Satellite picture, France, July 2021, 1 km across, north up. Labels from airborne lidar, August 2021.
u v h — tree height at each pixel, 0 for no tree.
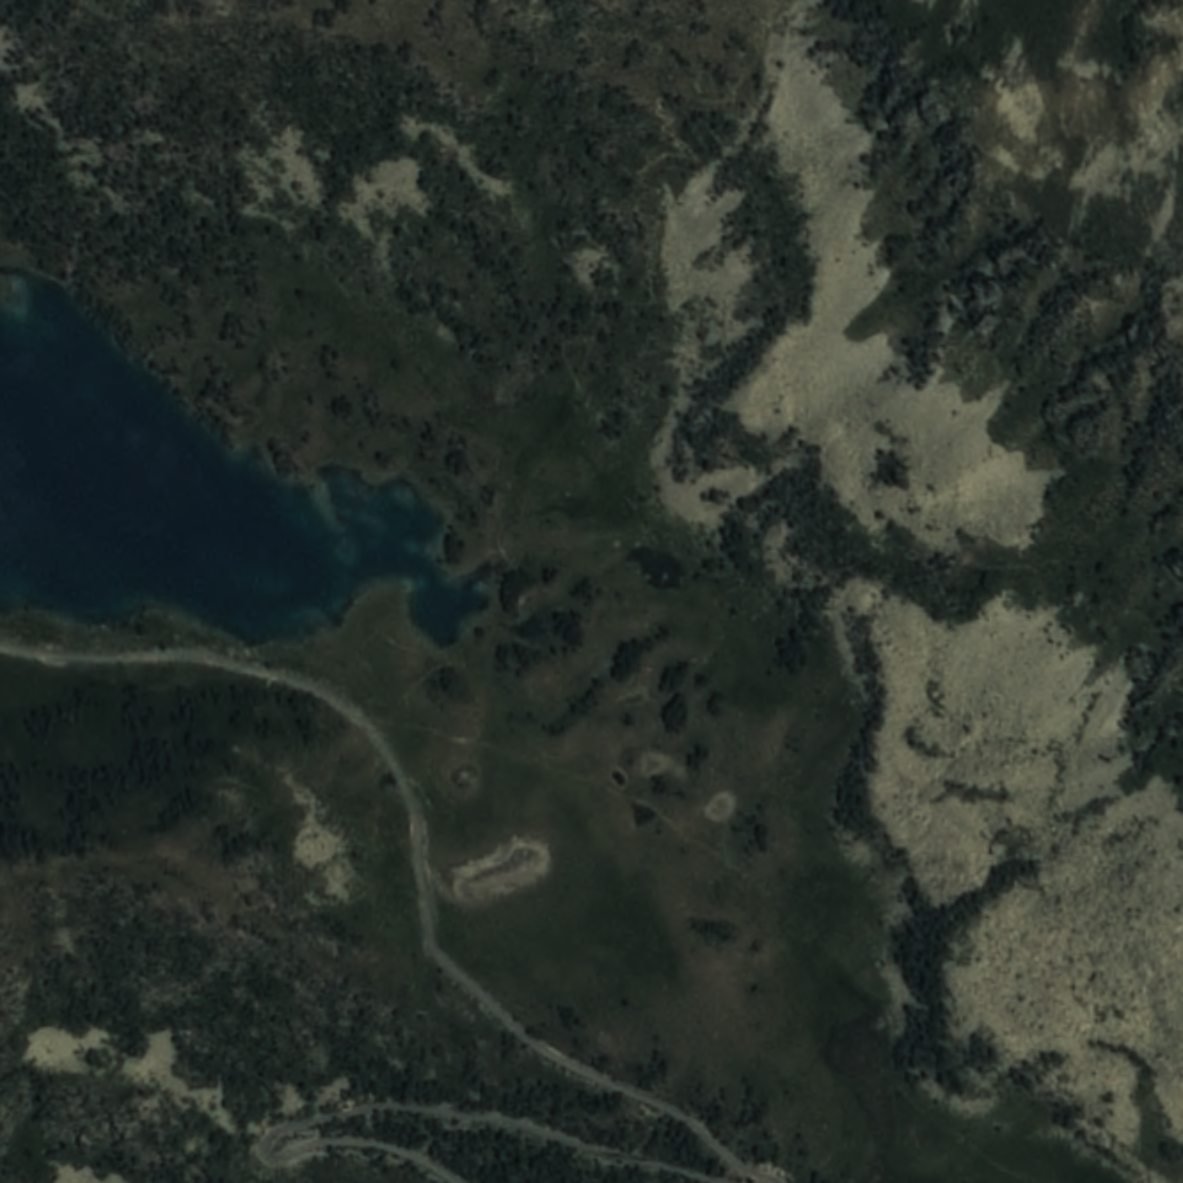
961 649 0
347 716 0
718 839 0
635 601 0
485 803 0
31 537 0
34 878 0
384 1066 11
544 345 8
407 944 0
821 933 0
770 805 0
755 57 0
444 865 0
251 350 0
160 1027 6
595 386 0
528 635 0
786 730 0
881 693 8
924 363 7
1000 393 0
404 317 0
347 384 0
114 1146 10
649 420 0
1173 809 0
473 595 0
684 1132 11
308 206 0
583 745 0
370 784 0
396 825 0
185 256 14
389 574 0
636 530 0
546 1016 0
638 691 0
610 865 0
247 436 0
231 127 6
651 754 0
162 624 0
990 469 0
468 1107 8
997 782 0
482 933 0
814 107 0
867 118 9
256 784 0
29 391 0
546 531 0
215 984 6
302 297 11
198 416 6
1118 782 0
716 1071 0
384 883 0
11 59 10
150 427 0
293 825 0
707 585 0
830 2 10
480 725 0
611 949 0
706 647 0
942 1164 0
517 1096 6
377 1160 8
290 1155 0
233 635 0
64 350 0
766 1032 0
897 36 6
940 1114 0
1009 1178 0
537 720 0
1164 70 0
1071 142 0
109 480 0
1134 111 0
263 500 0
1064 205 0
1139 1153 0
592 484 0
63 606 0
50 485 0
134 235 13
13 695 0
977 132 0
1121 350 9
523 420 0
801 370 0
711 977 0
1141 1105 0
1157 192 0
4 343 0
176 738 7
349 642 0
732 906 0
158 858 0
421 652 0
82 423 0
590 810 0
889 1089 0
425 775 0
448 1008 0
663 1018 0
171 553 0
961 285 9
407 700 0
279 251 0
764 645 0
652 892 0
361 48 10
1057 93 0
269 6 8
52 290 0
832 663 0
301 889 0
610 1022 0
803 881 0
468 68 0
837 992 0
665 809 0
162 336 9
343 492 0
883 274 0
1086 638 0
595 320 0
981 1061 8
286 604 0
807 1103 0
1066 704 0
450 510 0
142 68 7
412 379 0
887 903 0
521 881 0
